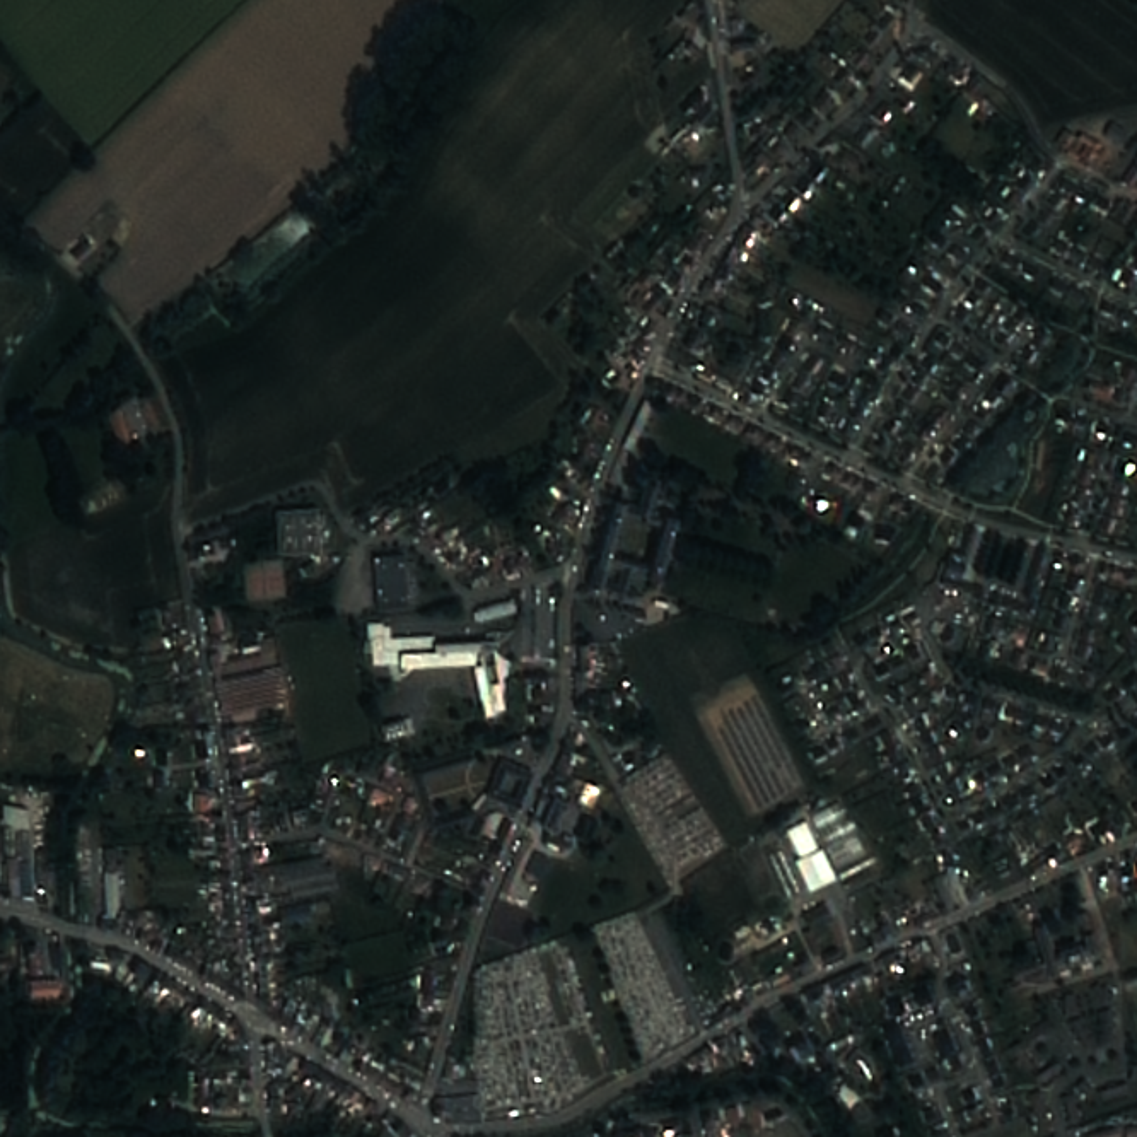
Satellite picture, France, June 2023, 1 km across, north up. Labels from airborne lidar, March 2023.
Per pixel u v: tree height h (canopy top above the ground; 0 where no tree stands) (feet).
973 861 0
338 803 0
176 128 0
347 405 0
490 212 0
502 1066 0
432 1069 0
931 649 0
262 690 0
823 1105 51
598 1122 0
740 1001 0
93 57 0
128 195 0
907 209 0
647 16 0
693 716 0
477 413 0
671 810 0
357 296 0
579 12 0
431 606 20
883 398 0
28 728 0
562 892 0
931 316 0
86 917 0
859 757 0
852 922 0
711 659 0
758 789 0
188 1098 0
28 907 0
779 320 0
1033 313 36
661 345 0
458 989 0
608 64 0
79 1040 62
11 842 0
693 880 0
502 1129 0
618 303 0
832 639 0
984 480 0
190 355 0
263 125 0
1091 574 0
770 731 0
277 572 0
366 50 0
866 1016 0
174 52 0
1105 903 0
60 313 0
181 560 0
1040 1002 37
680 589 0
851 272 38
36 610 0
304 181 0
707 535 0
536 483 30
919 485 0
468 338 0
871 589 0
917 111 0
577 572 0
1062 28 0
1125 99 0
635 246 33
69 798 37
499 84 0
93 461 0
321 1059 0
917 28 0
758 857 0
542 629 0
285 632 0
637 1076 0
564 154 0
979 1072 0
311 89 0
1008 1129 0
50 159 0
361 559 0
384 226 0
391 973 0
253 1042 0
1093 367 0
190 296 34
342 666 0
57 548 0
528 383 0
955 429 0
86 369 0
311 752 0
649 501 0
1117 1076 0
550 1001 0
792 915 0
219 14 0
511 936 0
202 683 0
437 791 0
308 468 0
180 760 0
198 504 0
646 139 0
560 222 0
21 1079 46
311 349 0
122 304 0
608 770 0
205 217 0
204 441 0
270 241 0
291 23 0
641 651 0
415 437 0
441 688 0
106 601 0
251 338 0
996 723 0
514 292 0
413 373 0
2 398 0
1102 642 0
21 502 0
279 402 0
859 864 0
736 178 0
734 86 0
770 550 0
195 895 0
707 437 0
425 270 0
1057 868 0
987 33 0
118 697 0
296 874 0
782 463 0
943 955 0
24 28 0
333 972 22
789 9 0
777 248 0
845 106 0
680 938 20
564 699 0
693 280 0
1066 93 0
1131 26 0
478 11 0
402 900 0
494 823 0
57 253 0
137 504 0
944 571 0
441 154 0
